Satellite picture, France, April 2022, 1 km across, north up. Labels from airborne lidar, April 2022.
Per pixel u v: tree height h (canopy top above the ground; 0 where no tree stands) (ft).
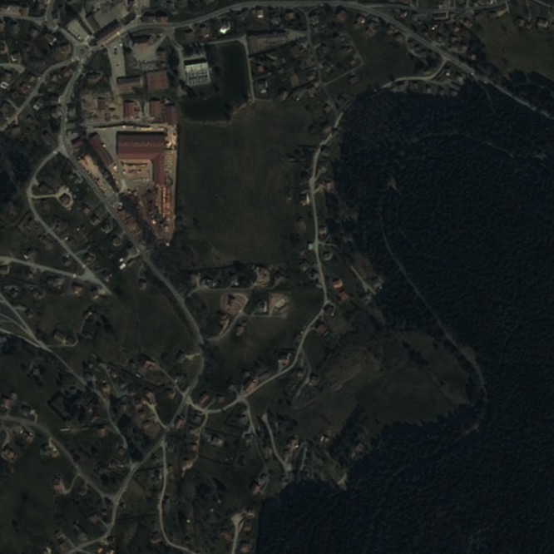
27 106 0
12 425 0
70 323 0
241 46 0
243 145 0
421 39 0
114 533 0
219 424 0
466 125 92
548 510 95
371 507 70
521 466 88
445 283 80
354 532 71
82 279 0
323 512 64
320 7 24
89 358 0
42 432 0
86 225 0
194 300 47
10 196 74
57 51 0
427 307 81
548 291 87
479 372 48
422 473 103
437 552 66
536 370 72
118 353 0
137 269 0
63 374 46
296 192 0
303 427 0
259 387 0
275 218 0
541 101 86
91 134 0
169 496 0
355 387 0
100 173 0
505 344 71
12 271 0
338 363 0
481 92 65
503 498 92
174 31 0
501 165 87
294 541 73
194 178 0
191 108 0
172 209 0
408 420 0
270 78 0
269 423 24
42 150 31
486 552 93
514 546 108
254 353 0
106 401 0
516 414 88
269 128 0
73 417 53
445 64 0
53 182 0
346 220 0
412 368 0
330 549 67
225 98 0
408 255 77
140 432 28
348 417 0
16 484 0
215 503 49
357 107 40
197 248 0
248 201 0
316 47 0
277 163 0
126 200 52
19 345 61
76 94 41
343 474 0
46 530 0
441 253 70
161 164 0
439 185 75
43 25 0
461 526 56
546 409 75
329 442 22
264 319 0
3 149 27
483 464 91
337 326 0
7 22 31
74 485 0
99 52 0
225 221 0
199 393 35
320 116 0
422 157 72
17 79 0
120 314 0
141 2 0
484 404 93
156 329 0
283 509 64
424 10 0
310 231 0
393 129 30
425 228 77
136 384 0
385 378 0
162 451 0
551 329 84
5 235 0
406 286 73
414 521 79
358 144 68
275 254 0
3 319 0
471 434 0
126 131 0
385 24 58
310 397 0
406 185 84
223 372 0
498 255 86
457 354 75
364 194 46
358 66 0
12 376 0
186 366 0
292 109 0
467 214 84
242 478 0
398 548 66
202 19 0
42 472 0
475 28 0
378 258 69
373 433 0
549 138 39
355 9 0
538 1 0
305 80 0
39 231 0
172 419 0
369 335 43
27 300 0
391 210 68
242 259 0
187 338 0
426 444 103
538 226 88
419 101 54
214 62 57
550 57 0
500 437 108
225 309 0
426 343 0
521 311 92
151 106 0
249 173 0
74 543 0
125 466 0
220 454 0
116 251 0
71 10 59
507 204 95
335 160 0
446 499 89
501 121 41
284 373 0
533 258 90
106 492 0
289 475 0
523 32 44
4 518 0
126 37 0
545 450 90
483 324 70
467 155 90
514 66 0
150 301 0
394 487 67
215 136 0
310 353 0
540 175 78
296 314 0
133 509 0
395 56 0
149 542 0
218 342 0
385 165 80
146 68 0
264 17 0
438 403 0
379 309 19
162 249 38
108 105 0
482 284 66
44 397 0
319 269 0
